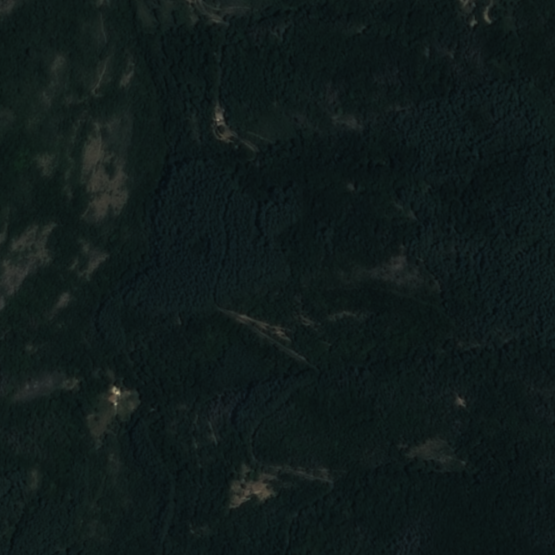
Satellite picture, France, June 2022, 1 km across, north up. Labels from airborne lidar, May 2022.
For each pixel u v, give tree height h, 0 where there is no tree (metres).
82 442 11
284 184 20
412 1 8
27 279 11
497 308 31
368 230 18
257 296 12
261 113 11
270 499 13
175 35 13
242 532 18
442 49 8
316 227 16
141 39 19
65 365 13
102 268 11
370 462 6
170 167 18
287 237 15
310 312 17
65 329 10
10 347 12
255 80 11
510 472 12
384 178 22
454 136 32
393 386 14
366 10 19
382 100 11
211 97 16
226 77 10
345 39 19
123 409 0
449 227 18
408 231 19
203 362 15
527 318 21
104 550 20
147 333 10
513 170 17
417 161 30
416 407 9
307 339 17
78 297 10
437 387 10
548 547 9
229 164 18
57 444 12
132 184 9
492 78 11
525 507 20
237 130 9
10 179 11
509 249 30
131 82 8
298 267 16
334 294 7
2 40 17
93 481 15
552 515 21
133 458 17
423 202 28
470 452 19
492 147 30
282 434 10
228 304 9
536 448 17
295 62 18
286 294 15
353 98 13
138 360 24
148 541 24
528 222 31
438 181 34
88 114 6
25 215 11
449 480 28
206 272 29
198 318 14
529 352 17
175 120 15
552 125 14
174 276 34
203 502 10
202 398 13
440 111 32
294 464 14
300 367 17
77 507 23
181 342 14
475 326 27
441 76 9
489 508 24
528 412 21
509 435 23
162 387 18
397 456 16
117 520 9
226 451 11
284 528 18
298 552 17
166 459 17
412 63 19
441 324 8
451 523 28
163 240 35
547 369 20
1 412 17
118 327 32
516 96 23
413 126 28
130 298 39
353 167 30
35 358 22
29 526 33
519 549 14
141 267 27
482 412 19
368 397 9
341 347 21
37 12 7
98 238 7
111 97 16
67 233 13
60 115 6
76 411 21
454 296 27
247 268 38
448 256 8
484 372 11
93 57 7
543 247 29
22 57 11
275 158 23
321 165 26
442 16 17
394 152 21
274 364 24
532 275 33
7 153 13
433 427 11
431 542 23
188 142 13
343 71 19
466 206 18
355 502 22
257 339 14
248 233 36
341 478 9
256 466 9
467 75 10
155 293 34
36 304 12
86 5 11
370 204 18
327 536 10
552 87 8
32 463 10
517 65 9
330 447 13
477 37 11
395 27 19
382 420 8
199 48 19
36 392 0
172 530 12
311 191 21
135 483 16
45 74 7
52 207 14
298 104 10
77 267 8
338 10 14
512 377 8
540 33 11
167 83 19
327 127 8
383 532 18
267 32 12
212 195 41
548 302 29
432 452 0
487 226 14
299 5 18
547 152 17
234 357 24
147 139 13
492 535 22
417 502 25
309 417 12
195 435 12
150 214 17
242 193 15
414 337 8
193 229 35
